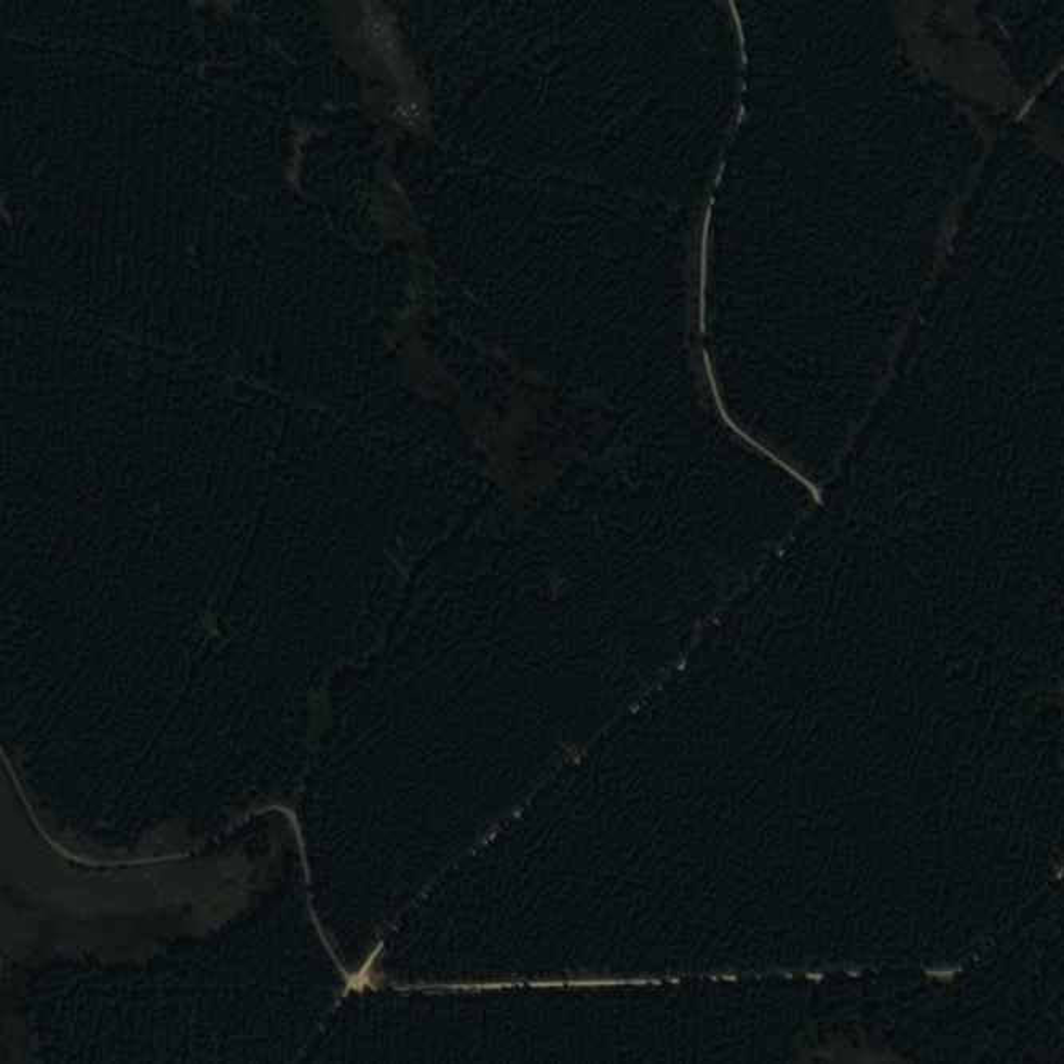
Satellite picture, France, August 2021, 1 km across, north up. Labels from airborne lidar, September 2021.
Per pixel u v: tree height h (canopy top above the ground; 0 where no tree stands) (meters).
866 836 23
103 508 25
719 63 25
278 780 24
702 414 23
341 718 16
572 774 21
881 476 21
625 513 21
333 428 23
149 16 21
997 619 17
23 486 24
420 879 18
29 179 21
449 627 12
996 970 23
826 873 21
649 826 17
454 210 18
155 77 22
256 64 8
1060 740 24
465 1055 19
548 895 17
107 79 21
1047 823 21
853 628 18
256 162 20
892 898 21
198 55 23
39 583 20
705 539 21
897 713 18
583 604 23
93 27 23
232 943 23
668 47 23
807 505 21
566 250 20
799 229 21
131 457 21
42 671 24
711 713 21
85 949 0
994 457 22
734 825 19
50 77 23
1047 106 15
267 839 23
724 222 17
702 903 15
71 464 22
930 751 18
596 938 21
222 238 18
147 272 14
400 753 24
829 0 22
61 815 18
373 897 22
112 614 22
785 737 23
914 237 19
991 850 21
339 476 21
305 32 17
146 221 16
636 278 23
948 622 25
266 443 22
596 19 19
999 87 0
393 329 20
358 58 0
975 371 25
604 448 11
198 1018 20
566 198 18
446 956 21
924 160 21
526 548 16
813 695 26
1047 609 24
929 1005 14
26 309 20
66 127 19
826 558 22
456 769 18
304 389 22
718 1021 20
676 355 21
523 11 18
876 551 22
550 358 25
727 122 18
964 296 20
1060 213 23
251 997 20
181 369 22
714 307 20
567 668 22
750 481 24
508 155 21
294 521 21
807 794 24
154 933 0
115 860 0
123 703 21
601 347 25
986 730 25
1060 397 20
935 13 6
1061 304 24
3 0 21
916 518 24
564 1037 23
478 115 15
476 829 20
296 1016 21
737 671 17
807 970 7
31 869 0
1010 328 23
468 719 22
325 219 18
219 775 22
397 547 21
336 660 19
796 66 25
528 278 20
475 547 18
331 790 20
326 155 15
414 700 20
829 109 20
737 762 20
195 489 22
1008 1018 20
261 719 22
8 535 20
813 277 20
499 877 17
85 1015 18
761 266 21
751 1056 20
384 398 24
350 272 18
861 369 25
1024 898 19
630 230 20
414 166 14
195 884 0
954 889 22
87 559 24
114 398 20
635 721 17
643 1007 22
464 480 22
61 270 21
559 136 21
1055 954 21
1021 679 24
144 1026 20
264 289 21
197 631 23
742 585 19
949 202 17
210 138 19
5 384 18
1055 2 23
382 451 23
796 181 21
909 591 20
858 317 20
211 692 21
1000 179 18
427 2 6
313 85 24
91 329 21
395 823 22
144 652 22
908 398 23
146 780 21
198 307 15
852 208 22
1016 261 22
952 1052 15
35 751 18
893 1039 19
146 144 17
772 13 22
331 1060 21
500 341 23
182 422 25
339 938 18
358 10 0
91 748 21
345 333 20
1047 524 23
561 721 22
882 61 25
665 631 19
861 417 19
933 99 22
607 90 19
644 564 20
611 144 14
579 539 23
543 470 0
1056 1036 22
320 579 23
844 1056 0
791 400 19
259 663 21
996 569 23
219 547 23
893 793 20
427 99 0
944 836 23
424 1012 23
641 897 19
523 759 23
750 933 22
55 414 20
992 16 21
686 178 21
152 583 23
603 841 19
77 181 16
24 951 0
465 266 11
